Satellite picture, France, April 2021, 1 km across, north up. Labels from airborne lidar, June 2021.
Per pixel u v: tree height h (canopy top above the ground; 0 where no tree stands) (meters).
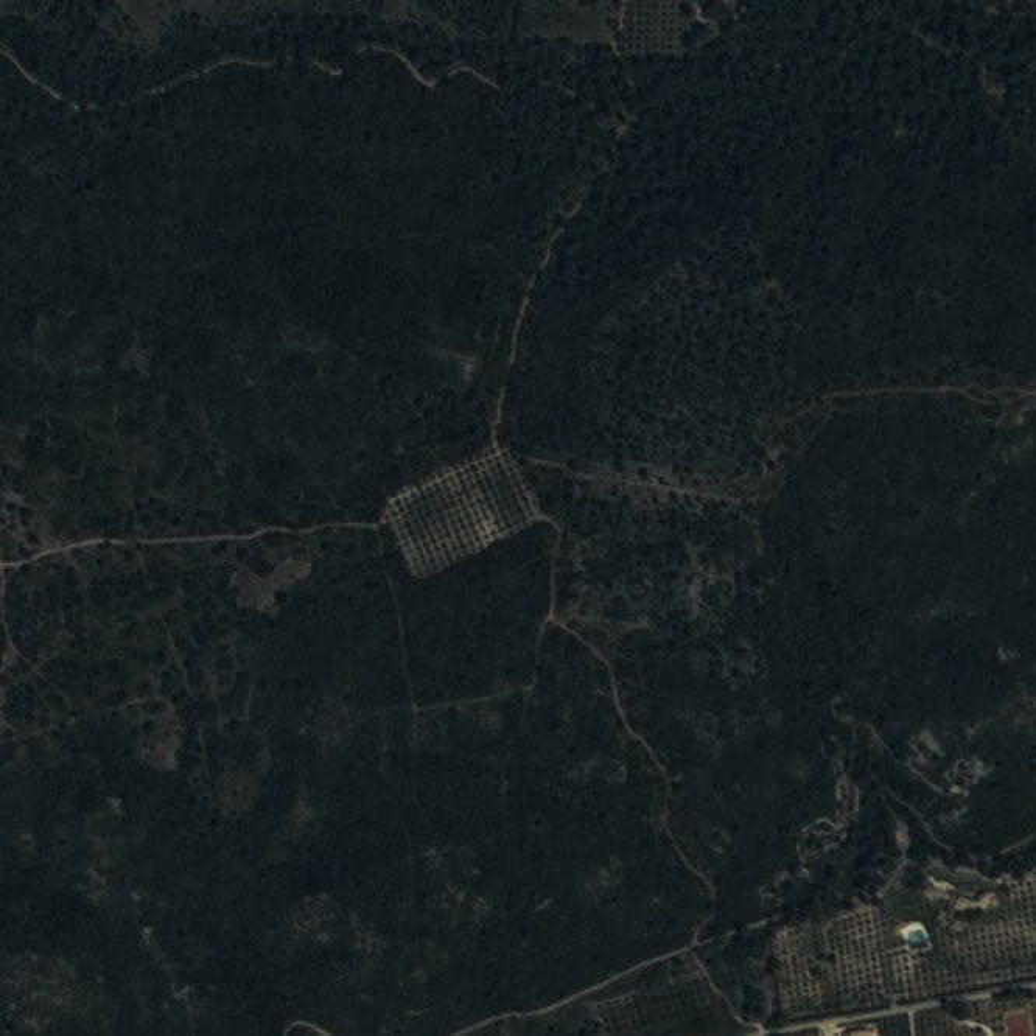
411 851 0
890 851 21
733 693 0
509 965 0
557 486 7
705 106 14
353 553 7
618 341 9
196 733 6
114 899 0
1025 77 13
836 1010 6
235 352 0
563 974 0
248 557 11
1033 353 0
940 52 11
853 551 0
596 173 12
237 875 0
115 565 0
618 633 0
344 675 0
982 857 9
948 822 0
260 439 0
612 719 0
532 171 8
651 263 6
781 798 0
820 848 9
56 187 8
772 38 12
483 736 0
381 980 0
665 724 0
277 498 0
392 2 0
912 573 0
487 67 10
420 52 12
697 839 10
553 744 0
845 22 17
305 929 0
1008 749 0
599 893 0
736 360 7
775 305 7
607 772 0
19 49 7
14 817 0
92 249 0
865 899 15
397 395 11
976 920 10
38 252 0
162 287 0
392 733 0
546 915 0
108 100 13
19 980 0
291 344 0
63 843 7
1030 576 0
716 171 9
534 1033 0
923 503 0
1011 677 0
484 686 0
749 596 11
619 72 16
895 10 17
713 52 12
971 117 9
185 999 0
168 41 8
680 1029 0
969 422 0
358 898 0
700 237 0
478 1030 0
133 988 0
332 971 0
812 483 0
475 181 8
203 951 0
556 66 11
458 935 0
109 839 0
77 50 8
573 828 0
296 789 0
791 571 11
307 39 13
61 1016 0
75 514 0
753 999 16
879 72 12
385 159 0
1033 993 10
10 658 0
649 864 0
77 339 0
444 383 0
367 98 0
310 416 0
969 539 0
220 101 0
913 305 7
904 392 0
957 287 7
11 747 7
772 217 0
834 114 6
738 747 0
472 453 5
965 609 0
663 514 7
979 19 15
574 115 9
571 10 0
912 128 15
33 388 0
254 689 0
